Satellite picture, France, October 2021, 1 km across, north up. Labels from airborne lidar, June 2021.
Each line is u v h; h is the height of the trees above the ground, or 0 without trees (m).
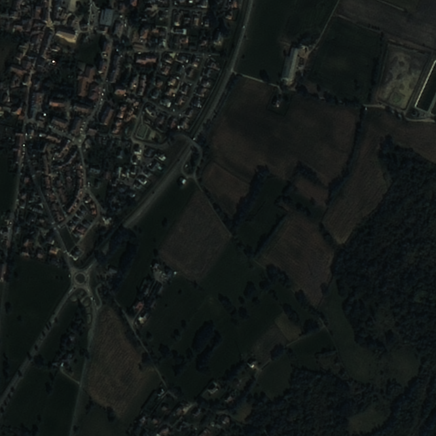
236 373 16
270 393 0
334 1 0
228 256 0
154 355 13
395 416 18
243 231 0
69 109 0
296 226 0
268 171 12
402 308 22
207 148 11
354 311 23
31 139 0
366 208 0
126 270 20
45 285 0
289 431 16
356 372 0
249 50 0
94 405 12
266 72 0
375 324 24
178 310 0
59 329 0
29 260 0
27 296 0
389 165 14
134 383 0
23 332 0
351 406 13
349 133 0
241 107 0
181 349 0
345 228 0
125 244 18
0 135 15
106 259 13
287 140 0
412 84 0
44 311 0
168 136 8
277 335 0
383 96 0
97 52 0
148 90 9
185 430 12
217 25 21
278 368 0
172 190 0
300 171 15
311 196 0
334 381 10
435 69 0
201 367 15
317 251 0
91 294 0
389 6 0
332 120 0
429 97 0
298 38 0
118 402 0
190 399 0
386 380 0
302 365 0
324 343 0
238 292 0
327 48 0
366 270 22
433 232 6
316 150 0
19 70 0
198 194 0
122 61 0
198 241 0
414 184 8
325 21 0
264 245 14
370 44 0
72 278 0
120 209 11
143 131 0
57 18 0
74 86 6
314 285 0
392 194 13
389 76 0
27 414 0
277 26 0
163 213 0
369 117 0
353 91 0
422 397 13
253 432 17
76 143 0
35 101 0
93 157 9
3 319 0
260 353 0
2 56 0
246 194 0
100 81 9
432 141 0
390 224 11
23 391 0
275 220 0
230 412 15
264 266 0
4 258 10
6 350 0
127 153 9
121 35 0
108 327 0
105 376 0
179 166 0
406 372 0
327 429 13
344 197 0
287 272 0
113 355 0
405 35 0
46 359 0
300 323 17
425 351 21
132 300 0
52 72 6
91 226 0
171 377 0
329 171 0
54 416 0
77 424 0
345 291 22
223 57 10
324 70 0
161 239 0
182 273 0
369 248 17
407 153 5
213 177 0
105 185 0
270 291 14
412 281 25
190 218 0
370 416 0
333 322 0
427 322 21
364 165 0
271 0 0
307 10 0
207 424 10
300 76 11
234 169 0
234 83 11
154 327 0
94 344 0
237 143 0
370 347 14
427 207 9
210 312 0
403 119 13
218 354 0
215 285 0
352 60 0
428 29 0
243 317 18
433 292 20
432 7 0
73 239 0
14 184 0
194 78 0
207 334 19
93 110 0
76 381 0
